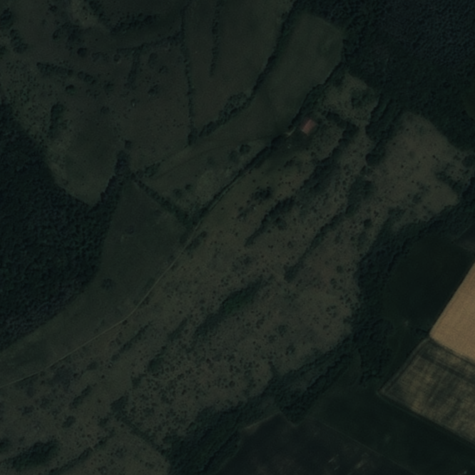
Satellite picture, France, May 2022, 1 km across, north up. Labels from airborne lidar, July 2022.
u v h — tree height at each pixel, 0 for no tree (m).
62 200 16
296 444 0
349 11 8
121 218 0
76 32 9
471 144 17
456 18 28
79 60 0
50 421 0
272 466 0
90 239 13
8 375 0
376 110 13
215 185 0
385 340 16
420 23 29
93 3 11
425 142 0
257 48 0
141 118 0
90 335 0
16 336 17
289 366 0
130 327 0
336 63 0
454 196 0
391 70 18
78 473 0
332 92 0
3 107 13
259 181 0
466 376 0
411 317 0
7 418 0
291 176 0
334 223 6
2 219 24
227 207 0
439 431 0
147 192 8
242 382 0
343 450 0
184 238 0
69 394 0
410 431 0
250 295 8
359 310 7
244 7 0
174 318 0
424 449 0
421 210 0
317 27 0
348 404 0
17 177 28
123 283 0
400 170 0
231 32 0
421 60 21
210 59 0
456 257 0
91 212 9
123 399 6
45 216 14
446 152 0
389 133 14
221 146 0
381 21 12
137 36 0
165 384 0
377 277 19
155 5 0
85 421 0
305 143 0
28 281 21
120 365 0
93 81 9
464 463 0
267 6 0
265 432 0
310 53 0
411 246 15
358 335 17
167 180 0
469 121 22
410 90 19
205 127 6
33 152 16
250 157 0
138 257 0
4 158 25
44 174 26
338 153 13
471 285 0
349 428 0
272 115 0
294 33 0
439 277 0
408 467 0
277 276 0
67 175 0
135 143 0
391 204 0
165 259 0
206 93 0
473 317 0
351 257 0
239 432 9
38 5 0
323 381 13
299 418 17
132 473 0
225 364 0
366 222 10
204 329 6
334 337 0
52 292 9
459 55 31
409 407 0
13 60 0
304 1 15
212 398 0
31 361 0
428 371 0
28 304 10
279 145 11
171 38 7
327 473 0
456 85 25
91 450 5
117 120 0
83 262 19
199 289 0
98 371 0
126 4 0
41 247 17
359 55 20
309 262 0
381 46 22
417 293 0
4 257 21
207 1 0
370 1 15
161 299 0
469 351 0
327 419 0
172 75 0
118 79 0
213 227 0
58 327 0
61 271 17
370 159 16
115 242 0
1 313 9
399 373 0
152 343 0
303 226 0
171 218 0
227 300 7
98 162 0
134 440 0
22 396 0
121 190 11
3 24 9
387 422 0
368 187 8
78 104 0
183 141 0
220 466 15
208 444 17
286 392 6
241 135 0
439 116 23
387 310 0
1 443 9
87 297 0
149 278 0
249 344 0
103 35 0
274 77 0
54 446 7
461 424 0
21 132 17
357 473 0
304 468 0
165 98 0
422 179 0
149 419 0
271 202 0
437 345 0
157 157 0
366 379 9
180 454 17
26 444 0
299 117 13
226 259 0
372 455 0
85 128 0
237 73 0
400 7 20
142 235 0
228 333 0
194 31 0
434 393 0
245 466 0
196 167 0
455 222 7
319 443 0
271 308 0
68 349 0
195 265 0
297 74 0
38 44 0
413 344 0
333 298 0
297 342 0
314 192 7
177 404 0
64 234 21
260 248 0
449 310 0
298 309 0
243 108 7
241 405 7
